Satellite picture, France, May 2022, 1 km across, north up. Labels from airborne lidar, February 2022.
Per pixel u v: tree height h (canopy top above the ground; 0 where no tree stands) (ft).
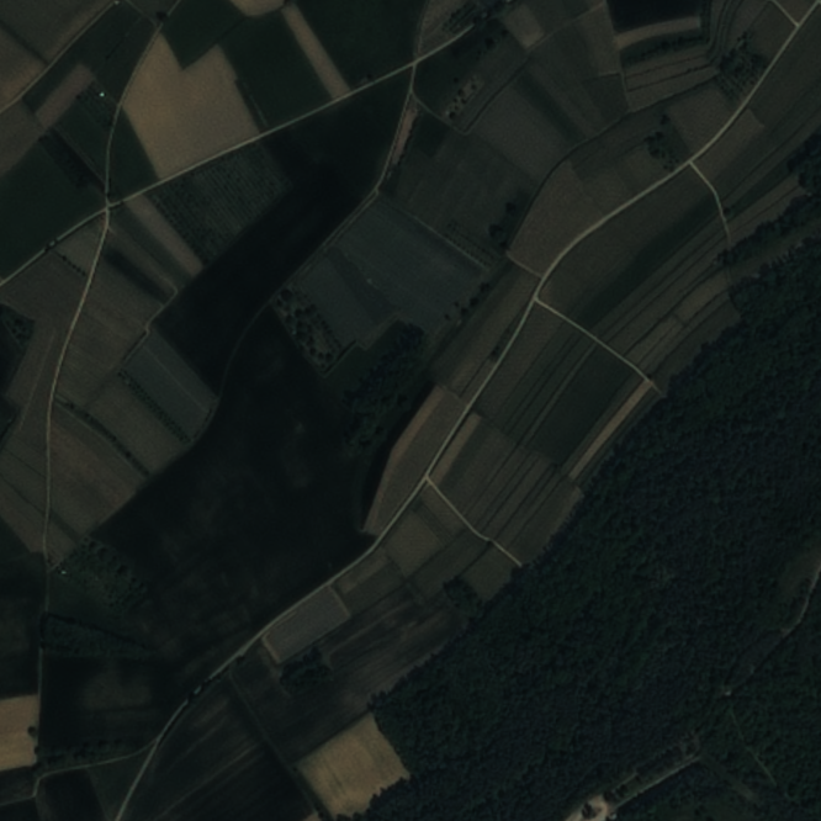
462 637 46
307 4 0
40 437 0
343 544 0
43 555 0
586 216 0
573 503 0
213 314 0
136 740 0
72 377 0
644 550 62
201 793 0
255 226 0
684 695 61
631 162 0
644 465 55
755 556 58
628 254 0
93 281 0
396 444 0
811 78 0
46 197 0
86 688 0
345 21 0
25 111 0
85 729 0
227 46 0
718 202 0
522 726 61
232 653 0
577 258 0
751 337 68
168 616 0
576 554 85
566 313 0
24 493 0
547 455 0
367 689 0
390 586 0
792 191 0
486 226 0
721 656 57
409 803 64
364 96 0
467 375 0
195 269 0
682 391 67
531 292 0
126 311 0
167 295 0
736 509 70
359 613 0
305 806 0
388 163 0
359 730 0
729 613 47
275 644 0
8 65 0
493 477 0
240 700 0
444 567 0
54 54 0
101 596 0
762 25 0
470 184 0
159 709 0
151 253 0
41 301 0
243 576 0
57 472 0
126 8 0
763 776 40
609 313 0
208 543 0
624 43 0
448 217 0
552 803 54
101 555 31
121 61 0
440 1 0
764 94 0
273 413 0
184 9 0
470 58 0
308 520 0
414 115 0
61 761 33
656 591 34
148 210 0
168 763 0
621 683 55
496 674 61
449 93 0
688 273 0
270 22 0
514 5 0
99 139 0
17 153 0
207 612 0
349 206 0
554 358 0
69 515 0
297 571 0
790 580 0
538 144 0
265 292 0
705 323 0
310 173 0
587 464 0
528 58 0
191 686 0
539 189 0
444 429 0
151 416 0
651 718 70
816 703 39
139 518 0
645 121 0
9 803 0
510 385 0
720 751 31
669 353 0
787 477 64
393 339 0
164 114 0
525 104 0
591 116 0
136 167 0
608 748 57
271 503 0
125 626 0
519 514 0
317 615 0
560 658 52
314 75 0
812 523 35
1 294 0
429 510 0
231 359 0
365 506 0
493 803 66
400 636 0
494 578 0
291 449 0
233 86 0
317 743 0
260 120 0
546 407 0
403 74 0
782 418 42
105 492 0
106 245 0
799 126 0
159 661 0
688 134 0
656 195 0
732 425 68
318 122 0
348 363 0
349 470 0
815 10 0
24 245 0
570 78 0
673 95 0
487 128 0
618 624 66
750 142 0
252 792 0
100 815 0
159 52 0
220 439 0
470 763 59
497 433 0
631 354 0
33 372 0
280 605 0
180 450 0
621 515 30
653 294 0
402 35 0
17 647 0
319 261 0
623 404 0
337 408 0
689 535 65
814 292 33
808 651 51
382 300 0
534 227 0
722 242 0
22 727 0
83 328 0
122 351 0
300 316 33
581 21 0
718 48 0
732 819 0
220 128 0
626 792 33
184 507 0
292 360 0
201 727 0
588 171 0
